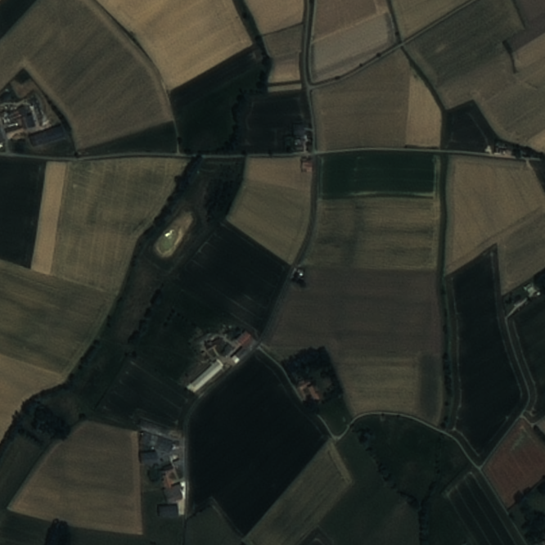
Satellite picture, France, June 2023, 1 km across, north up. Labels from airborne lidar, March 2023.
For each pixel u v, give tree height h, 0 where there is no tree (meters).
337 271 0
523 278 0
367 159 0
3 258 0
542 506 0
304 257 0
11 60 0
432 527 0
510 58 0
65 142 0
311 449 0
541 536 8
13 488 0
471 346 0
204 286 0
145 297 0
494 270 0
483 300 0
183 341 0
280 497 0
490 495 0
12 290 0
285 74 0
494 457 0
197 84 0
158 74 0
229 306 0
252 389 0
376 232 0
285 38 0
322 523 0
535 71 0
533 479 0
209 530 0
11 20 0
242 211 0
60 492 0
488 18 0
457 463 0
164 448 0
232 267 0
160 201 0
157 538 0
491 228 0
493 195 0
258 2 0
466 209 0
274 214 0
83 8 0
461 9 0
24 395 0
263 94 7
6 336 0
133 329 0
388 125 0
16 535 0
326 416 0
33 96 0
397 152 0
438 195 0
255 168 0
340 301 0
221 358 0
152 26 0
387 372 0
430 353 0
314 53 0
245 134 0
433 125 0
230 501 0
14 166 0
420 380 0
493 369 0
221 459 0
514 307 0
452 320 0
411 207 0
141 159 0
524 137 0
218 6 0
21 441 0
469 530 0
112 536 0
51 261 0
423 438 0
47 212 0
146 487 0
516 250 0
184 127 0
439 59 0
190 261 0
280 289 0
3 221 0
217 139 0
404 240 0
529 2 0
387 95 0
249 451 0
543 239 0
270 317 0
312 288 0
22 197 0
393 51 0
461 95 0
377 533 0
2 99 0
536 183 0
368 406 0
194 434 0
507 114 0
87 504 0
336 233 0
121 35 0
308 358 17
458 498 0
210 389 0
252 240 0
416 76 0
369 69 0
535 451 0
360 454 0
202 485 0
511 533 0
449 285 0
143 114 0
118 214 0
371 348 0
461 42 0
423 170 0
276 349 0
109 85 0
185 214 0
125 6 0
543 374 0
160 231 0
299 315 0
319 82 0
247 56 0
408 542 0
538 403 0
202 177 0
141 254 0
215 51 0
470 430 0
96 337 0
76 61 0
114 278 0
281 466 0
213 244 0
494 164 0
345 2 0
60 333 0
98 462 0
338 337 0
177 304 0
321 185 0
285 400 0
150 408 0
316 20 0
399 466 0
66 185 0
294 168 0
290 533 0
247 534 0
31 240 0
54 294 0
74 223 0
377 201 0
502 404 0
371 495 0
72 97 0
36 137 0
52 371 0
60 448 0
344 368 0
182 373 0
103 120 0
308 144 9
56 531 18
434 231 0
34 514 0
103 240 0
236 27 0
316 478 0
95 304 0
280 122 0
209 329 0
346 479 0
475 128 0
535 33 0
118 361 0
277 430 0
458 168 0
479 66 0
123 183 0
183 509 0
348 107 0
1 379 0
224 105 0
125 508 0
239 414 0
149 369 0
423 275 0
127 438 0
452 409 0
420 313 0
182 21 0
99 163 0
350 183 0
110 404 0
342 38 0
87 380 0
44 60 0
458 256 0
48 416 27
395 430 0
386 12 0
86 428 0
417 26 0
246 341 0
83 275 0
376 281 0
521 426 0
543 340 0
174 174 0
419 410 0
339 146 0
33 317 0
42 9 0
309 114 0
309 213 0
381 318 0
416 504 18
